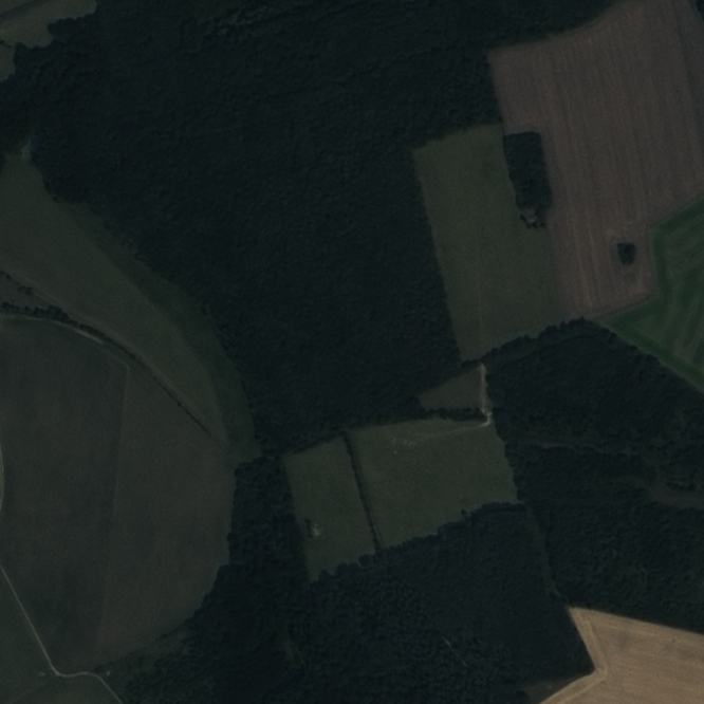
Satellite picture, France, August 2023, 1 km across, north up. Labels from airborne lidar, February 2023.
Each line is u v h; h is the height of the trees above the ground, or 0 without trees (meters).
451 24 24
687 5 0
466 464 0
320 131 20
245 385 9
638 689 0
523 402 6
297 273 14
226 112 18
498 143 0
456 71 23
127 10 21
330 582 23
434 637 16
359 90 21
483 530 8
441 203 0
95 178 25
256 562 22
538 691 0
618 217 0
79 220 0
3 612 0
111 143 19
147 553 0
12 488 0
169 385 0
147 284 0
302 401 14
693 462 10
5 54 0
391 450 0
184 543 0
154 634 0
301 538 23
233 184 17
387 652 21
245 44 21
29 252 0
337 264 21
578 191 0
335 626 19
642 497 6
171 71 21
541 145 9
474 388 0
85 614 0
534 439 0
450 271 0
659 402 6
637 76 0
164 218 22
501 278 0
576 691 0
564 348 9
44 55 16
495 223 0
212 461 0
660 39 0
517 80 0
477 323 0
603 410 6
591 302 0
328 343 17
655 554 8
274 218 18
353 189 16
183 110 20
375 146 22
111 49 24
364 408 19
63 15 0
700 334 0
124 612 0
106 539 0
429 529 0
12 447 0
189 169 15
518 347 17
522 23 20
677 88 0
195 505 0
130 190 22
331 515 0
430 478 0
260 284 15
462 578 16
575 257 0
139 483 0
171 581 0
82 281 0
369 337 14
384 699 20
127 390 0
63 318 9
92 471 0
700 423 6
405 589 14
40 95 35
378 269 16
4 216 0
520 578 21
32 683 0
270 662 12
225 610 22
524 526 22
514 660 15
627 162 0
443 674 19
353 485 0
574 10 21
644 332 0
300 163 20
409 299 11
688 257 0
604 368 8
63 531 0
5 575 0
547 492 11
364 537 0
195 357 0
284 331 16
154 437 0
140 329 0
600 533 7
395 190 20
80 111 24
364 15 25
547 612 21
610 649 0
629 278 0
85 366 0
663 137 0
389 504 0
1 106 36
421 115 18
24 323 0
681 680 0
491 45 12
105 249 0
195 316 0
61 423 0
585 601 9
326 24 21
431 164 0
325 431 23
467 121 18
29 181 0
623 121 0
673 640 0
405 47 23
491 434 0
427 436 0
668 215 0
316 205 22
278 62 15
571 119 0
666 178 0
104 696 0
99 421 0
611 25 0
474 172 0
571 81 0
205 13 18
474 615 18
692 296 0
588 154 0
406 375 13
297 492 0
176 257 20
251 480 7
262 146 16
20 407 0
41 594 0
